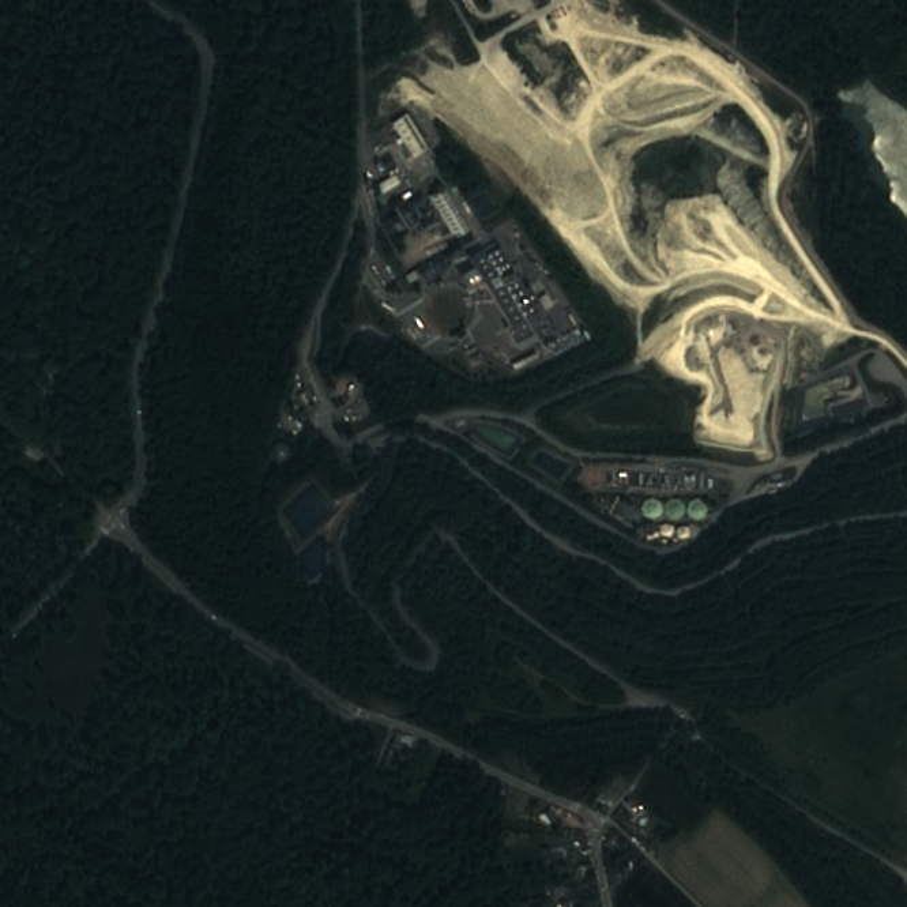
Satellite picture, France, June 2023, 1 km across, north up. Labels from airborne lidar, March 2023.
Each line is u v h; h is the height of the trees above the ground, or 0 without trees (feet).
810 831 30
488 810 63
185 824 89
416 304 0
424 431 41
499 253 0
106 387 87
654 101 0
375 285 0
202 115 0
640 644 44
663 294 0
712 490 0
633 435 21
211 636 87
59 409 72
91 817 85
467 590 44
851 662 0
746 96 0
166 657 84
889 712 0
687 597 36
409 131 0
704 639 27
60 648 0
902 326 43
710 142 0
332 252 52
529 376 28
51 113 58
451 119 0
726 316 0
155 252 88
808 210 0
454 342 0
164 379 48
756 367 0
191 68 55
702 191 0
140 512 37
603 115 0
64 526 37
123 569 87
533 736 77
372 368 58
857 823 0
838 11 28
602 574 45
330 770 102
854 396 0
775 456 0
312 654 66
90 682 0
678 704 0
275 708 92
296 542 0
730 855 0
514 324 0
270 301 32
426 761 0
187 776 81
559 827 30
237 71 64
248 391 60
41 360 49
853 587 38
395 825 85
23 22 92
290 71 83
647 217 0
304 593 72
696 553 51
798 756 0
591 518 0
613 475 0
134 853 94
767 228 0
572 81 0
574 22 0
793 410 0
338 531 0
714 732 35
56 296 70
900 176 0
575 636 42
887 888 30
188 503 46
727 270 0
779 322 0
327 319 31
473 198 0
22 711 0
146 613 91
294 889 79
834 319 0
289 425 0
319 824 96
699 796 25
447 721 77
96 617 0
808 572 40
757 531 24
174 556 55
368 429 0
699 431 0
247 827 102
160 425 36
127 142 87
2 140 89
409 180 0
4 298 67
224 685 90
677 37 0
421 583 37
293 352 46
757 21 57
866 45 53
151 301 0
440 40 0
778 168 0
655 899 0
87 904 52
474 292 0
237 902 89
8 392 55
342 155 67
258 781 82
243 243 68
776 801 31
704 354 0
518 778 0
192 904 103
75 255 87
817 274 0
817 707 0
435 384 64
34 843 71
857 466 33
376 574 49
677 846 0
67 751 88
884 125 0
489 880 57
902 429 24
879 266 55
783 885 0
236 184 54
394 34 63
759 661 27
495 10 0
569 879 20
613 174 0
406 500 46
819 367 0
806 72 41
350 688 45
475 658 38
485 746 63
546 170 0
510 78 0
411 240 0
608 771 19
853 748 0
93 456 60
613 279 0
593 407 0
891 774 0
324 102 79
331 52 76
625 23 0
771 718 0
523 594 48
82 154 86
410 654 48
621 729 60
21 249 82
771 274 0
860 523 38
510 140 0
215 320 55
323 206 57
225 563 60
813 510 42
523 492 64
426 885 89
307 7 63
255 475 63
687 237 0
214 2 101
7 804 90
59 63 52
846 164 56
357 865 72
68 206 99
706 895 0
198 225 35
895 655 0
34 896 93
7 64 97
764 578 26
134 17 85
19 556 78
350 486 50
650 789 0
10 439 75
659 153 0
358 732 52
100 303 85
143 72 94
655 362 0
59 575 44
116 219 89
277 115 72
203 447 59
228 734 56
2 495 44
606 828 0
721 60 0
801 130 0
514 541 18
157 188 91
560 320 0
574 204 0
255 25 86
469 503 56
